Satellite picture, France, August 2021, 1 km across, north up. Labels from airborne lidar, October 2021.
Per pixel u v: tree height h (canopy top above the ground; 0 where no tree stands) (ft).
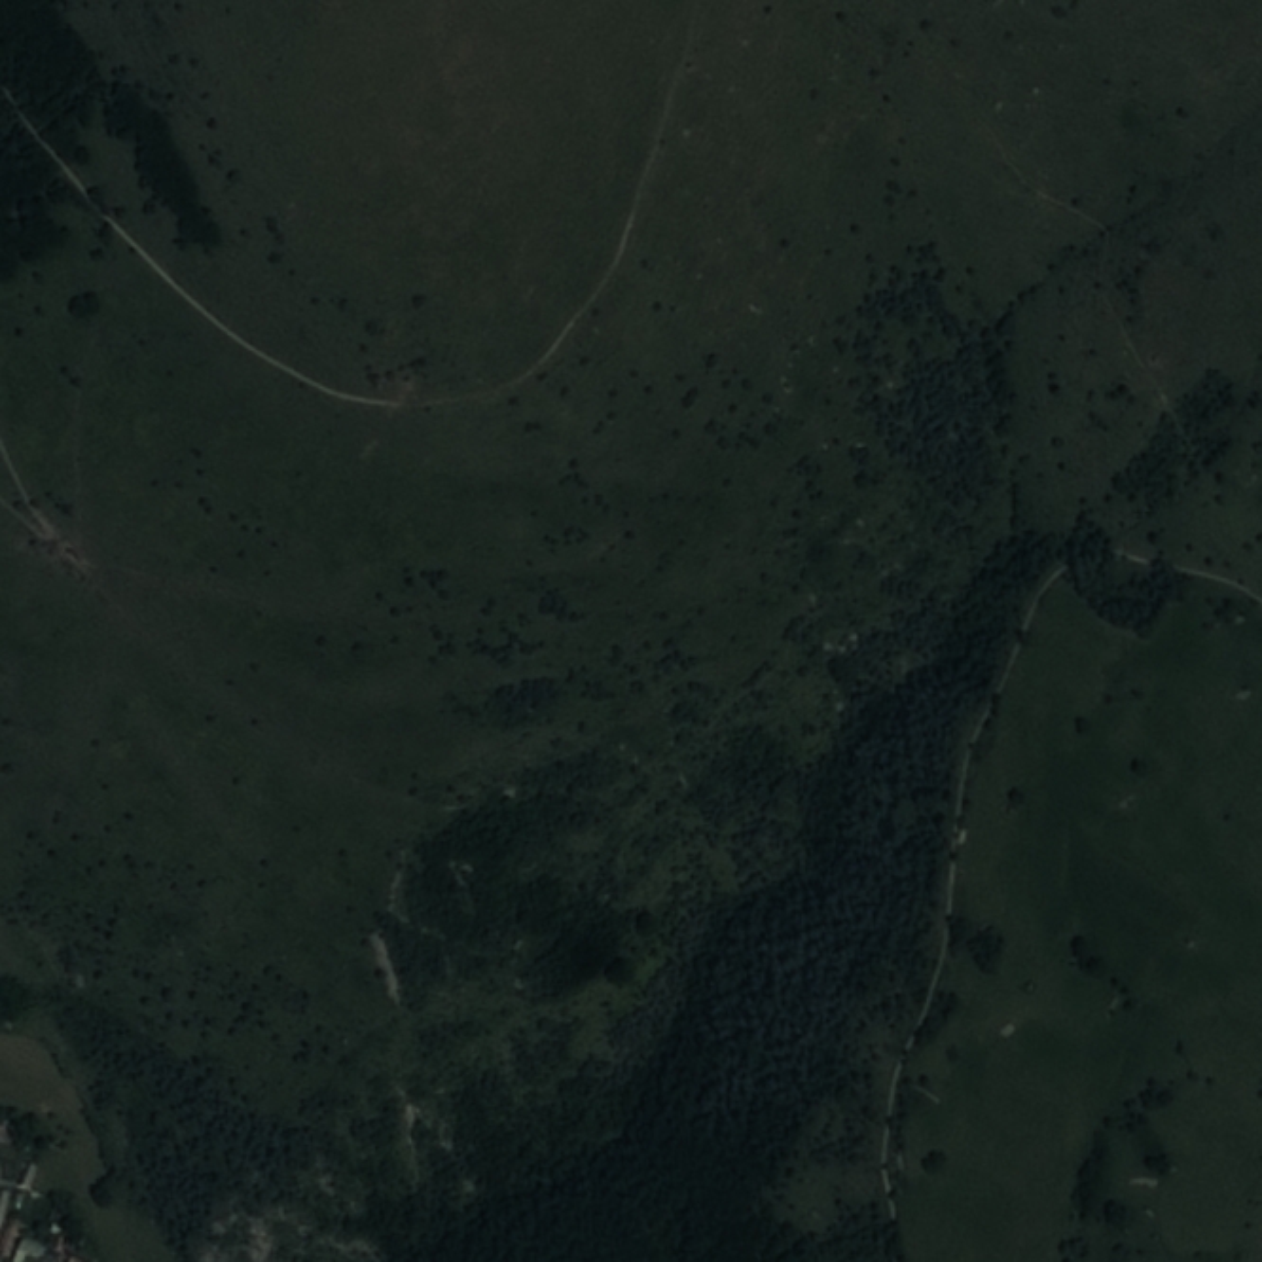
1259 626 0
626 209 0
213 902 0
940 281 34
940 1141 0
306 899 0
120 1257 0
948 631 41
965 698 36
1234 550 0
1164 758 0
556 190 0
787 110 0
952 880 0
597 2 0
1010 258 0
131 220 0
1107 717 0
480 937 22
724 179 0
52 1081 0
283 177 0
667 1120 51
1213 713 0
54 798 0
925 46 0
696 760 21
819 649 35
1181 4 0
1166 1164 22
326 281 0
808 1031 29
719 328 0
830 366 0
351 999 0
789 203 0
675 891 20
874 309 20
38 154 32
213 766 0
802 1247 36
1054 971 0
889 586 22
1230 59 0
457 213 0
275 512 0
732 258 0
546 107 0
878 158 0
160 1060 31
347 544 0
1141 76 0
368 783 0
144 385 0
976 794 0
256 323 0
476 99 0
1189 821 0
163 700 0
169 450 0
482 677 0
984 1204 0
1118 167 0
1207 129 0
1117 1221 55
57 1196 27
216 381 0
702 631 0
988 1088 0
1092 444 0
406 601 0
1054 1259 0
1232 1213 0
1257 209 0
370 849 0
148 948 0
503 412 0
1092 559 50
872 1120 25
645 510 0
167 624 0
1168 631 0
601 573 0
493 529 0
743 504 0
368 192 0
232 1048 0
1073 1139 0
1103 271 0
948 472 42
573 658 0
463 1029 23
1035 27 0
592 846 0
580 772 21
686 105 0
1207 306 0
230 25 0
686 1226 21
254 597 0
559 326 0
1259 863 0
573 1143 25
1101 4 0
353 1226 45
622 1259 64
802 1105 30
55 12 40
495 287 0
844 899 40
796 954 50
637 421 0
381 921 24
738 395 0
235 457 0
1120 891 0
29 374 0
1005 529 0
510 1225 53
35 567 0
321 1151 25
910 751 44
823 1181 0
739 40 0
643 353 0
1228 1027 0
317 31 0
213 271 0
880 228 0
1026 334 0
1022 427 0
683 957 45
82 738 0
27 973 0
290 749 0
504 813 21
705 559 0
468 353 0
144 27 0
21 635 0
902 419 34
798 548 29
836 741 30
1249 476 0
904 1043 0
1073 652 0
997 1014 0
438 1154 19
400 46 0
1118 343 0
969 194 0
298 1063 21
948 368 37
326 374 0
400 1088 0
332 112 0
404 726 0
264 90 0
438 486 0
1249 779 0
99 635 0
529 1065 21
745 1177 48
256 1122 28
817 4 0
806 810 27
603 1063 26
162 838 0
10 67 33
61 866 0
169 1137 24
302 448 0
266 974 21
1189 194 0
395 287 0
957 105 0
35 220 43
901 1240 29
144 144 34
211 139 0
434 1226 21
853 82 0
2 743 0
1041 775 0
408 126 0
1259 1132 0
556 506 0
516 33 0
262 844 0
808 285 0
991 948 42
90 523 0
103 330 0
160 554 0
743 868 34
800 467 23
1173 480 39
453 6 0
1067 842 0
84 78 38
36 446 0
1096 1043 0
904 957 26
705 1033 49
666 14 0
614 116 0
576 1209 72
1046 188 0
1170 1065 0
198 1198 30
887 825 20
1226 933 0
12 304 0
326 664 0
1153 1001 0
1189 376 0
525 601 0
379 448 0
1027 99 0
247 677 0
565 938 30
